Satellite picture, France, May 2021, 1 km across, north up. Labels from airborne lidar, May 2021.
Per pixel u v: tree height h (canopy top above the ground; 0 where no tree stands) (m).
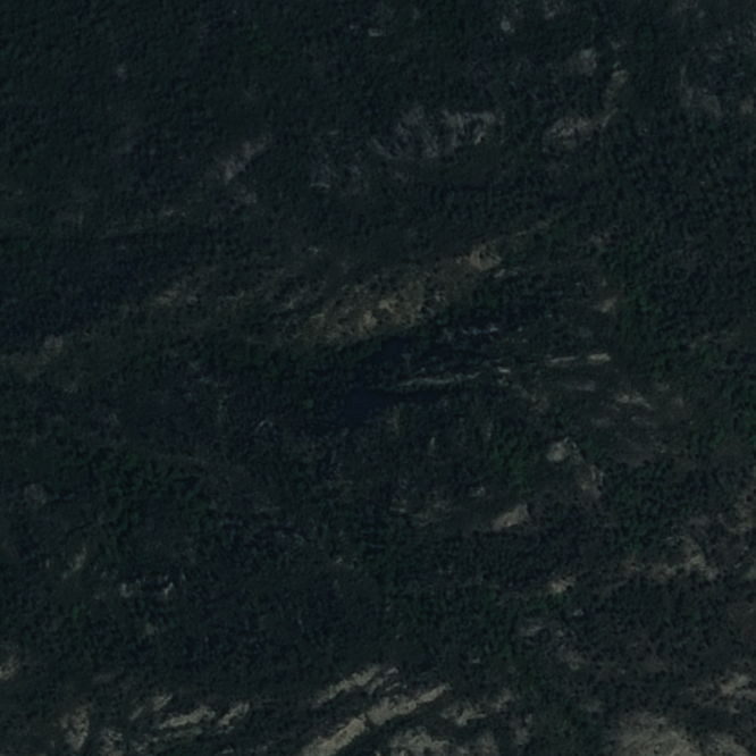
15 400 9
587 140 16
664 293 20
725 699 9
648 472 13
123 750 17
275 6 9
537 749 10
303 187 12
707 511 10
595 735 7
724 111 8
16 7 7
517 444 17
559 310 6
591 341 7
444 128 5
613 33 6
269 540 10
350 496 6
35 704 14
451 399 7
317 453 8
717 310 9
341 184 9
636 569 14
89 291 6
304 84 9
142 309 17
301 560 7
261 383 8
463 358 13
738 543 13
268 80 8
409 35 7
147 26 7
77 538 6
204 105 16
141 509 12
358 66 7
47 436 25
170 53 9
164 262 7
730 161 25
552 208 20
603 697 18
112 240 10
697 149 13
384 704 0
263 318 13
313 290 7
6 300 27
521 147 28
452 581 11
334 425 7
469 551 23
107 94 5
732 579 16
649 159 26
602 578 12
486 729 12
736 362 22
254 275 10
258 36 12
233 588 6
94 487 17
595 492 0
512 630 8
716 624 22
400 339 11
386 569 21
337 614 11
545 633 14
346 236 6
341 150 8
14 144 8
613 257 13
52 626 16
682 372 8
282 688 15
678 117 13
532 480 7
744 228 16
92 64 9
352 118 7
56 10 9
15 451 7
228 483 10
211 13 6
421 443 7
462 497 6
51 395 7
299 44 6
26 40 9
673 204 24
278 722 16
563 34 11
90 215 10
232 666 22
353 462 6
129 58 10
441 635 6
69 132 10
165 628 34
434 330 16
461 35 15
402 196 8
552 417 15
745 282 17
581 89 18
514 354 7
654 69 6
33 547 8
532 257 7
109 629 22
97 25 22
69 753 14
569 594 9
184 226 16
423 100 8
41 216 6
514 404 10
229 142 10
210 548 20
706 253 13
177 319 12
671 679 13
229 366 19
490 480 8
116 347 6
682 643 14
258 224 6
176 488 21
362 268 7
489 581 19
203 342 22
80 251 13
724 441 7
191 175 6
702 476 16
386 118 12
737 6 6
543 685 9
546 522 16
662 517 17
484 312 10
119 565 14
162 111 11
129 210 9
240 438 9
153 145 6
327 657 16
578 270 7
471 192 20
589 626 24
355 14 10
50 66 8
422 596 8
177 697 12
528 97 9
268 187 7
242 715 6
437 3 18
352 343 8
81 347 6
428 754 6
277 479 11
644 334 21
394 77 10
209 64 9
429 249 19
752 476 18
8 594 9
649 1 8
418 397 13
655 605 22
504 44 7
